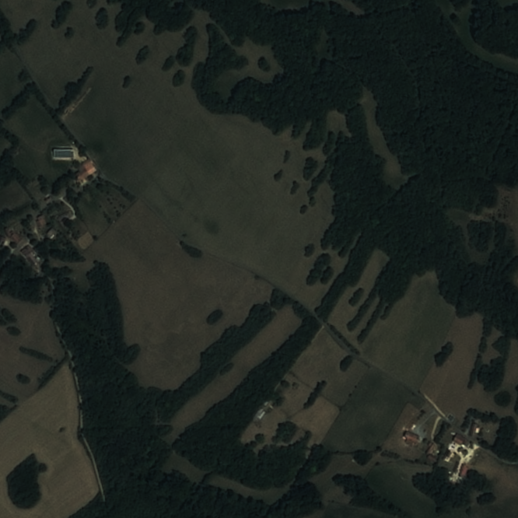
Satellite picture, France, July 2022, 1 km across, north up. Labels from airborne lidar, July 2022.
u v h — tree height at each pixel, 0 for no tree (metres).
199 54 0
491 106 22
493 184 13
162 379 0
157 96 0
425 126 18
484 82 28
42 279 12
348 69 12
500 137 16
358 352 10
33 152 0
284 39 18
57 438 0
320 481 0
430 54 13
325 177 12
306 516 8
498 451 13
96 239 13
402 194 16
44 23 0
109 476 12
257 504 20
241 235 0
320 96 19
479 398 0
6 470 0
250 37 16
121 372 12
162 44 0
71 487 0
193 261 0
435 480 12
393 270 14
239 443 11
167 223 0
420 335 0
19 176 16
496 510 0
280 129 15
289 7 0
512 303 20
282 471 18
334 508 0
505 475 0
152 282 0
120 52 0
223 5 19
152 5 17
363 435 0
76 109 0
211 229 0
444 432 7
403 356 0
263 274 0
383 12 16
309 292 0
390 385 0
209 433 12
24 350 6
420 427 0
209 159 0
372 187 21
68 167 0
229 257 0
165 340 0
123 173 0
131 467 20
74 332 20
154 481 21
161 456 13
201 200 0
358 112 17
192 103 0
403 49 16
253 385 13
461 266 17
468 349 0
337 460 0
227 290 0
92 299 8
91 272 9
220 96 12
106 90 0
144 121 0
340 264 0
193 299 0
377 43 20
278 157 0
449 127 21
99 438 12
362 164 22
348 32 22
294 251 0
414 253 20
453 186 11
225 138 0
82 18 0
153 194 0
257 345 0
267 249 0
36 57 0
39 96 16
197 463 23
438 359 14
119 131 0
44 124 0
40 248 20
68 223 15
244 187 0
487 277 11
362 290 10
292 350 12
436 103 19
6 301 0
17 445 0
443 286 17
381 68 23
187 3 10
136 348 7
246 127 0
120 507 15
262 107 13
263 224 0
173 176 0
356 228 12
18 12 0
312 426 0
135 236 0
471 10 0
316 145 8
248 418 12
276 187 0
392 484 0
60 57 0
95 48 0
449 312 0
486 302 11
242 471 19
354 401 0
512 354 0
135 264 0
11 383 0
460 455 0
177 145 0
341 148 17
